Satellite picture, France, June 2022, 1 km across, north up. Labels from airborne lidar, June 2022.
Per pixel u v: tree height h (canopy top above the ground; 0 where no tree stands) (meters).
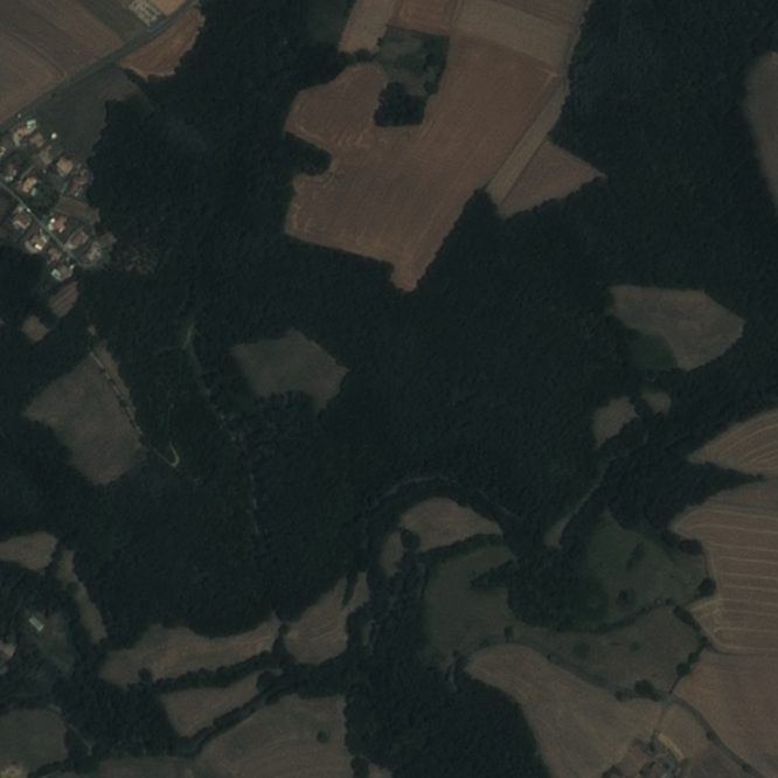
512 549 11
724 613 0
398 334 10
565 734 0
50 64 0
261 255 11
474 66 0
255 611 14
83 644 24
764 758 0
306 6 7
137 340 12
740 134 22
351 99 0
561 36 0
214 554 16
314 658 0
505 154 0
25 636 16
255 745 0
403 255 0
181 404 10
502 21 0
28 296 13
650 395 0
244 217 6
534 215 14
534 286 19
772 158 0
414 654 13
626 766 0
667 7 22
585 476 20
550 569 17
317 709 0
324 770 0
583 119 15
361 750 19
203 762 0
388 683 24
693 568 0
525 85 0
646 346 0
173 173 17
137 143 19
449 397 19
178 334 5
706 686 0
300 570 16
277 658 20
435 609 0
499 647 0
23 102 0
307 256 18
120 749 14
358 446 14
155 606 22
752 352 16
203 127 17
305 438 20
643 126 22
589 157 9
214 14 13
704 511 0
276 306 21
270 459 26
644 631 0
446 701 15
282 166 27
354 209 0
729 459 0
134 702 21
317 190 0
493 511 25
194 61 19
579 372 21
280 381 0
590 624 0
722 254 24
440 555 22
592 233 20
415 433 16
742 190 27
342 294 15
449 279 15
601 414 0
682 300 0
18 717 0
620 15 24
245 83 27
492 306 16
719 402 30
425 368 14
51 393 0
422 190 0
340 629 0
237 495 24
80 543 24
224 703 0
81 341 12
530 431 15
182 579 18
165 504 16
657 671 0
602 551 0
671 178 21
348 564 19
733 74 24
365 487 16
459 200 0
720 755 0
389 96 21
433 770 25
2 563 16
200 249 20
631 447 19
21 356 20
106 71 0
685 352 0
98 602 19
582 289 19
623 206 17
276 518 25
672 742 0
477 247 19
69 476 10
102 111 0
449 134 0
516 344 13
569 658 0
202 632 12
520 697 0
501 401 8
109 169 18
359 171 0
